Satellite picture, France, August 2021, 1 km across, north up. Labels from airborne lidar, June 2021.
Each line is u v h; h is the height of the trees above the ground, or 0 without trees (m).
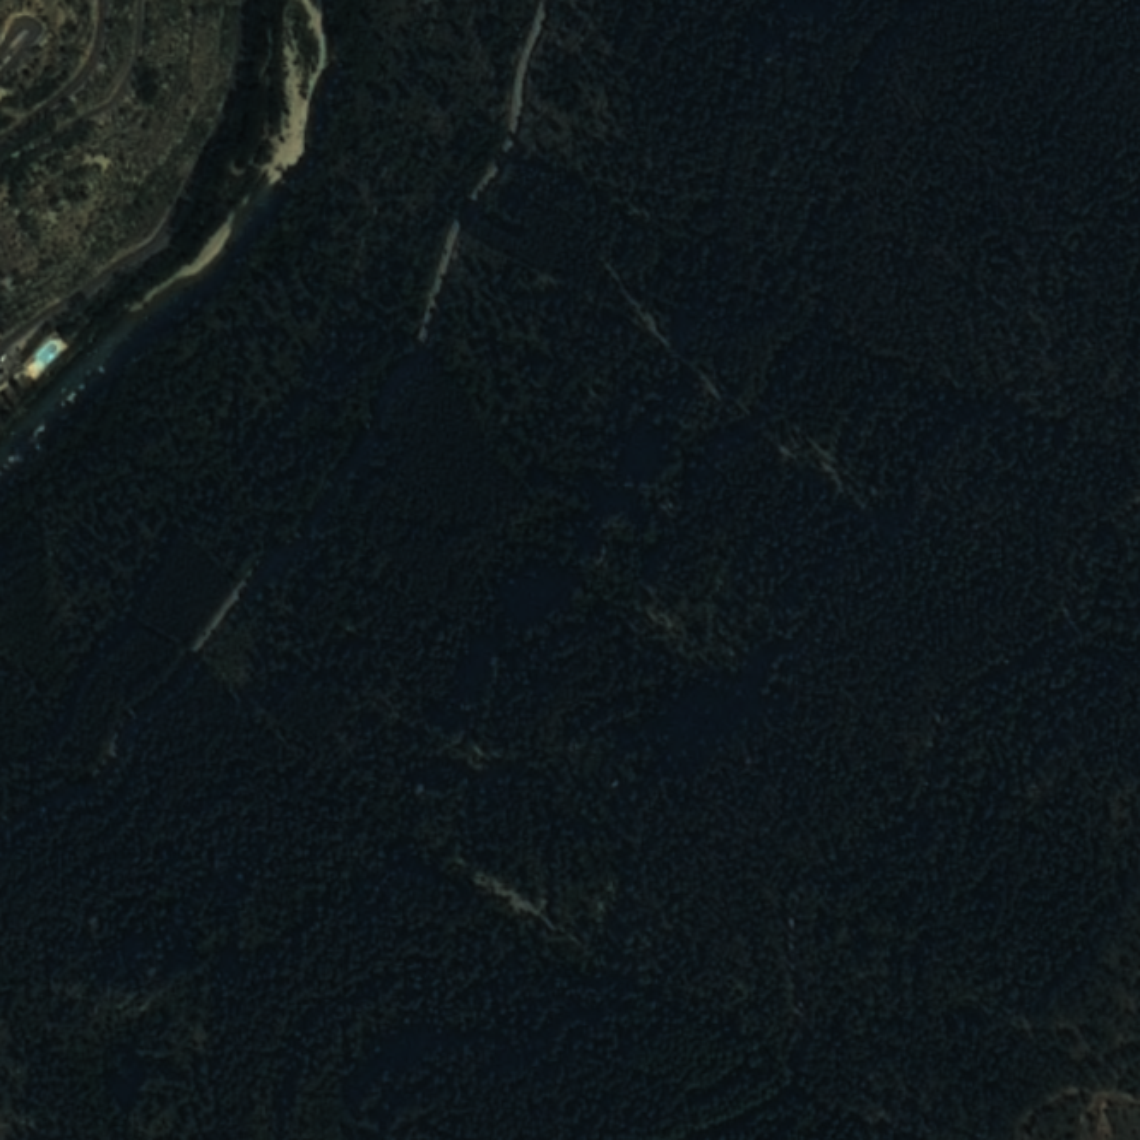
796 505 15
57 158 7
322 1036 16
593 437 16
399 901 21
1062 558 21
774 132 9
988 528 26
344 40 20
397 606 14
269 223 21
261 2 23
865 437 7
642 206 11
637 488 7
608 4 10
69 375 0
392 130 8
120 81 0
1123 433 26
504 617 10
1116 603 25
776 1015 27
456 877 8
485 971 7
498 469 20
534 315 15
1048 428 24
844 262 26
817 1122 26
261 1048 18
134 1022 8
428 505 22
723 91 14
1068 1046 18
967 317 24
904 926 14
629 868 16
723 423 10
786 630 14
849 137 23
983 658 20
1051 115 19
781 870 22
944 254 26
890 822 21
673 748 7
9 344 0
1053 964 15
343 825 9
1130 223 26
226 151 24
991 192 23
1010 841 23
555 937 10
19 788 8
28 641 10
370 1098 12
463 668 6
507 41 7
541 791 17
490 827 16
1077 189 28
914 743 23
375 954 19
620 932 8
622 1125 26
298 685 17
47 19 5
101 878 21
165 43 0
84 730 19
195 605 16
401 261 8
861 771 28
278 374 13
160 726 19
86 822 21
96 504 9
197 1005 9
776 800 22
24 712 9
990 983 17
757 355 25
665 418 10
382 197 10
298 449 12
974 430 18
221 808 19
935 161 26
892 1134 10
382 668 14
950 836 21
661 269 9
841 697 26
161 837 13
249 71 17
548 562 9
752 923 22
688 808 23
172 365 8
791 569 14
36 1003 12
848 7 25
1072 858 17
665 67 18
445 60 11
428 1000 18
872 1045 18
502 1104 26
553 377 12
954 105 23
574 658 18
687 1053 30
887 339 25
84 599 11
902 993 25
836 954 24
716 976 22
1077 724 8
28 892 16
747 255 26
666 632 5
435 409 21
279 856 11
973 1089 23
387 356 11
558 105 6
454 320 15
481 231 14
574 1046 25
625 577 7
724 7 15
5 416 14
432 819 8
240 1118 18
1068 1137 8
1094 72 19
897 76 27
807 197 19
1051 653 17
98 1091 8
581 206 15
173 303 0
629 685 21
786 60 12
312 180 13
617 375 17
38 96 8
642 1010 26
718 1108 25
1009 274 18
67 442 22
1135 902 15
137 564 15
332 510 11
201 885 15
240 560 13
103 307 8
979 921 20
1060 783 19
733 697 20
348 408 15
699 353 22
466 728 8
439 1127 20
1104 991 18
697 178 15
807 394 23
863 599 21
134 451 11
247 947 6
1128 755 14
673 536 16
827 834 25
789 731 26
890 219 25
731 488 19
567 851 12
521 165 13
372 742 11
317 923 15
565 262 13
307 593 12
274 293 19
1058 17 22
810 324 27
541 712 19
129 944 8
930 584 27
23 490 21
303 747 11
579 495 14
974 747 22
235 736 21
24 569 8
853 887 23
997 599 24
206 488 11
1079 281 19
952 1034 24
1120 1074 20
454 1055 30
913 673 21
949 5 31
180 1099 13
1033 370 21
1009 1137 20
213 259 0
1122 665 18
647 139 13
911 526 21
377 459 21
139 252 0
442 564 18
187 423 8
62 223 0
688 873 28
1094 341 22
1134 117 23
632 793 23
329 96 8
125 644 19
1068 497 23
